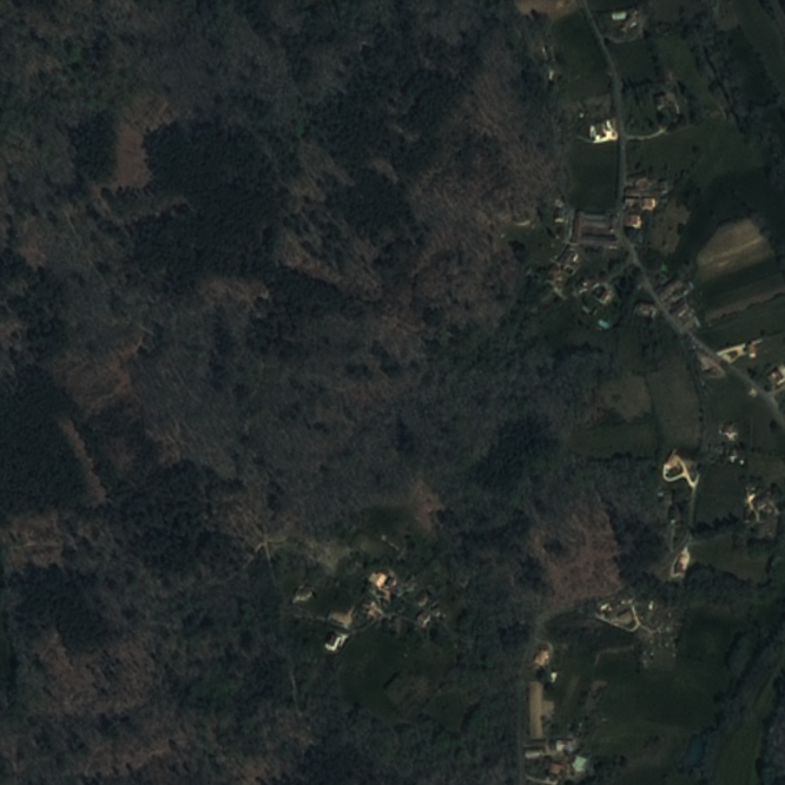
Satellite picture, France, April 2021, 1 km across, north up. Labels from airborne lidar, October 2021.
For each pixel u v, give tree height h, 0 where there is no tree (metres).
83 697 6
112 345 16
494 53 15
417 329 11
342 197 21
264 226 27
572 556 11
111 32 21
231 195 23
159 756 0
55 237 16
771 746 14
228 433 15
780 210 0
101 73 22
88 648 23
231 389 18
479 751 22
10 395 25
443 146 19
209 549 21
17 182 19
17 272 21
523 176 12
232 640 16
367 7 21
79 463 25
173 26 15
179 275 22
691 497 0
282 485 14
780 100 18
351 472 17
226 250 24
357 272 10
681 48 0
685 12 12
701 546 0
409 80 22
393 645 0
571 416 23
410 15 21
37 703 22
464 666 13
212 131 23
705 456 9
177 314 12
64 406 24
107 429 8
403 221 24
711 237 0
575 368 25
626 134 0
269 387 12
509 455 17
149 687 10
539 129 20
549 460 23
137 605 15
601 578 0
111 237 23
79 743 25
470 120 14
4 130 23
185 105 14
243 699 13
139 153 0
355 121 27
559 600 0
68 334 21
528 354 22
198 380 17
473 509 18
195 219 21
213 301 13
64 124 9
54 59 21
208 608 14
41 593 25
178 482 24
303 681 21
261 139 22
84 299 19
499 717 14
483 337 24
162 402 15
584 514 12
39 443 24
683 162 0
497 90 18
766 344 0
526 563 14
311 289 25
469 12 19
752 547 13
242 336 15
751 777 0
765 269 0
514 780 19
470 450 19
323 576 15
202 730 16
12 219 8
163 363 17
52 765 14
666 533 18
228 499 20
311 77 25
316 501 16
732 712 22
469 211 14
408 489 19
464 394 18
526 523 22
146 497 9
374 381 25
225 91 14
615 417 6
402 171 24
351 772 25
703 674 0
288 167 24
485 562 9
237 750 22
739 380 0
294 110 17
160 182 24
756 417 0
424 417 17
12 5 14
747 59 0
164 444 8
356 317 9
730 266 0
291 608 9
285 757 21
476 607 14
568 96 13
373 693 0
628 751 0
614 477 18
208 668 14
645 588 25
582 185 0
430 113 25
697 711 0
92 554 23
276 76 17
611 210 0
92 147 26
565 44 0
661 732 0
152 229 20
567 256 0
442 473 20
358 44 18
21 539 14
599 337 0
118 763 11
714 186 0
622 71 0
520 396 21
